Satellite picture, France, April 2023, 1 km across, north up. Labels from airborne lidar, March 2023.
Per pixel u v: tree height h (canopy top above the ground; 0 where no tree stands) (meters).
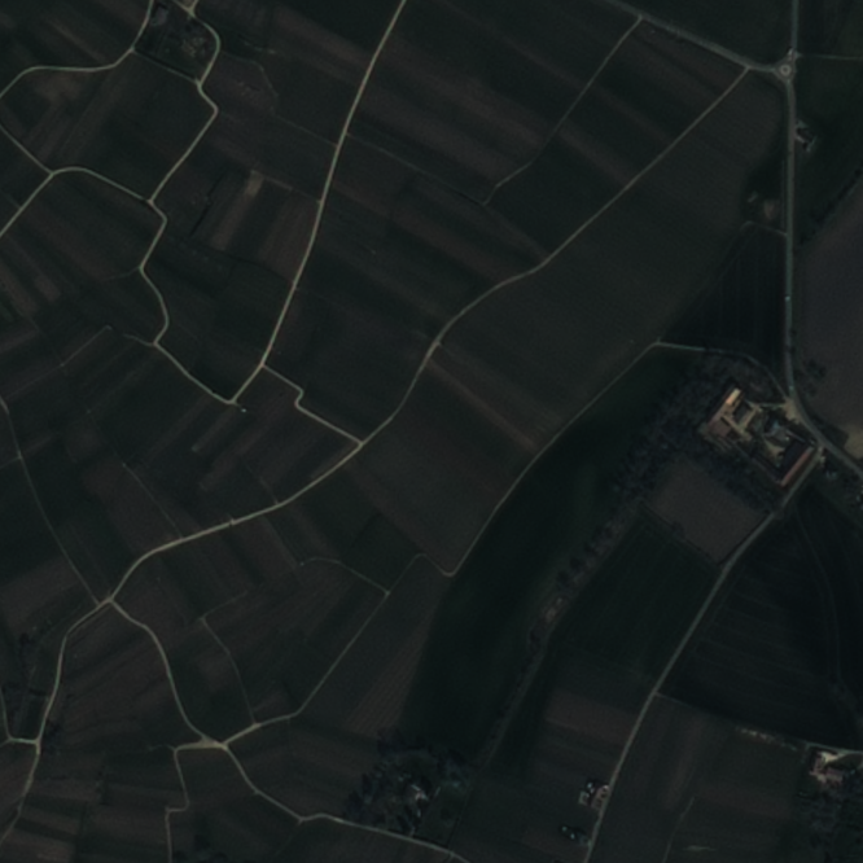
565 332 0
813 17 0
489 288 0
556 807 0
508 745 0
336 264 0
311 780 0
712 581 0
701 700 0
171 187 0
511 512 0
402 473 0
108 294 0
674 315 0
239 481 0
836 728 0
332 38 0
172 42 0
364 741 0
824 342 0
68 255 0
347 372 0
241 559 0
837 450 0
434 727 0
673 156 0
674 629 0
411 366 0
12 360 0
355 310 0
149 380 0
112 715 0
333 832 0
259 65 0
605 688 0
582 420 0
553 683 0
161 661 0
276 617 0
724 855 0
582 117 0
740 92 0
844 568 0
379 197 0
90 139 0
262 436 0
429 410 0
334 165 0
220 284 0
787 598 0
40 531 0
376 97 0
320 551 0
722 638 0
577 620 0
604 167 0
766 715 0
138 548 0
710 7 0
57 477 0
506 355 0
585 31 0
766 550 0
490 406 0
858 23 0
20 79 0
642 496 8
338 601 0
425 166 0
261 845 0
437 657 0
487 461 0
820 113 0
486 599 0
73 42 0
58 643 0
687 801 0
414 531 0
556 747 0
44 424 0
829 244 0
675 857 0
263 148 0
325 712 0
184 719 0
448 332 0
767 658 0
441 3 0
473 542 0
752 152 0
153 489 0
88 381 0
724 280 0
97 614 0
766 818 0
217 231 0
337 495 0
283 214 0
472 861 0
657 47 0
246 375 0
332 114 0
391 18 0
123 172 0
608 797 0
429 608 0
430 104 0
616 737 0
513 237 0
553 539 0
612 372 0
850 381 0
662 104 0
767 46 0
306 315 0
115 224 0
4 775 0
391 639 0
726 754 0
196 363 0
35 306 0
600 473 0
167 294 0
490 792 0
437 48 0
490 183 0
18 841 0
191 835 0
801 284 0
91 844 0
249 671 0
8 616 0
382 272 0
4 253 0
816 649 0
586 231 0
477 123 0
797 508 0
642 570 0
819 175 0
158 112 0
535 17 0
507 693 0
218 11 0
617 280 0
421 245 0
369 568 0
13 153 0
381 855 0
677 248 0
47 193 0
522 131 0
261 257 0
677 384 0
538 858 0
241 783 0
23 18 0
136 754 0
